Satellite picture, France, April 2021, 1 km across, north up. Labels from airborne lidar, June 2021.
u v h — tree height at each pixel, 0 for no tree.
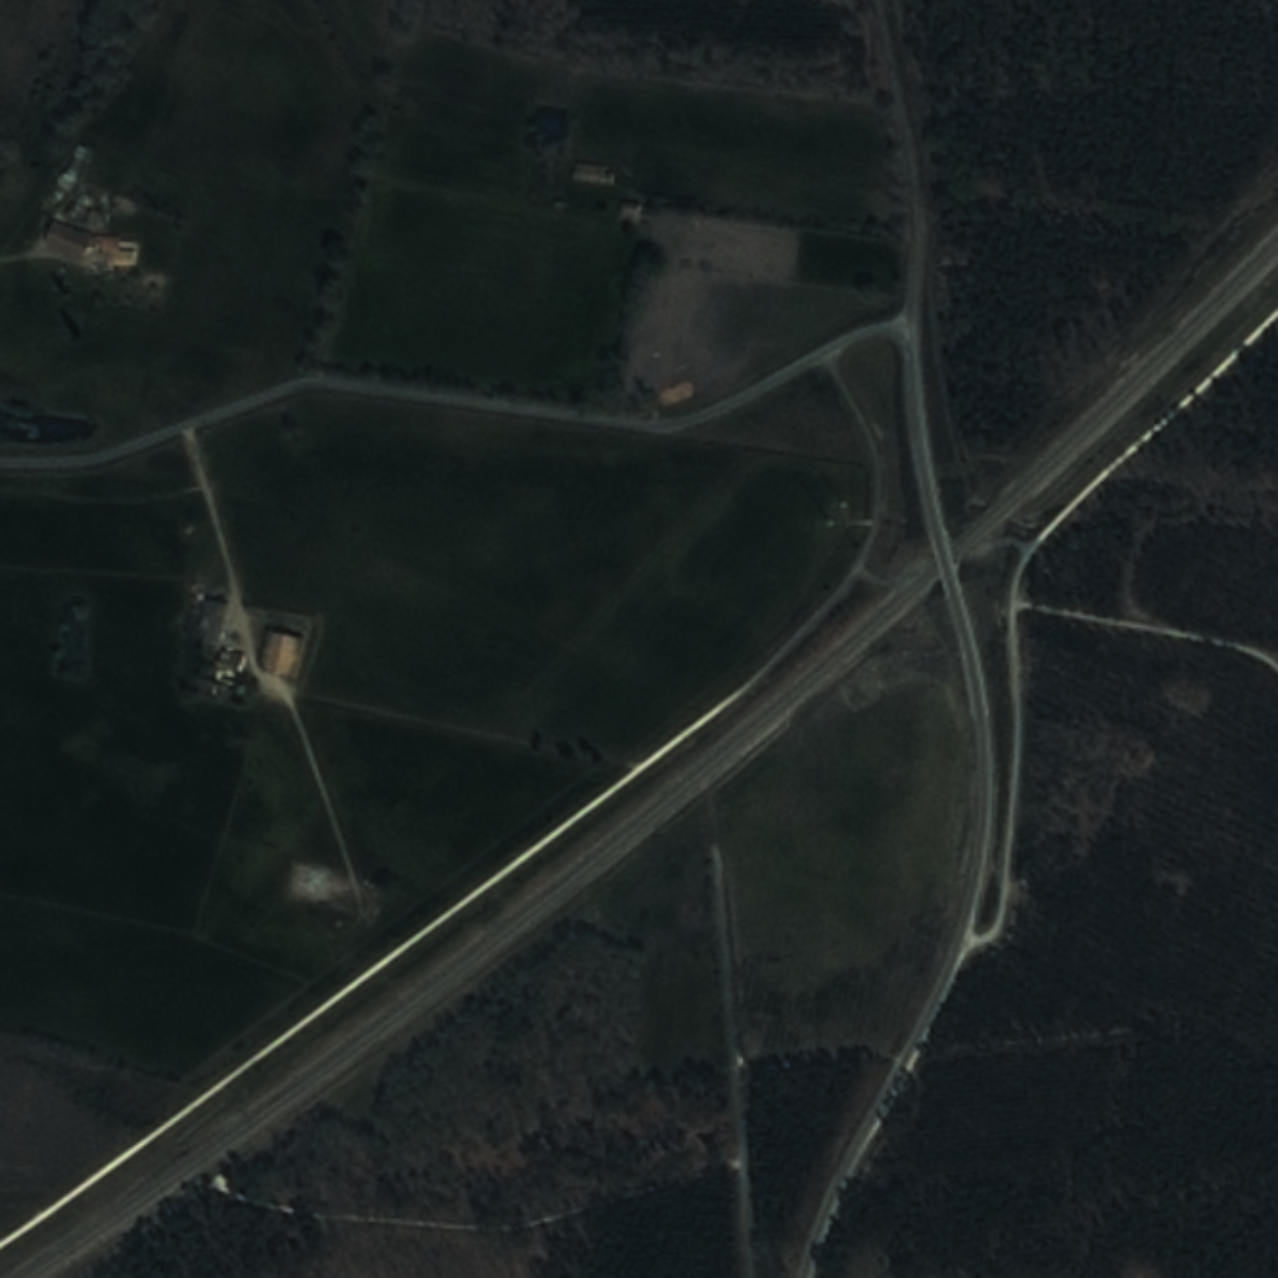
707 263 8
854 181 0
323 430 0
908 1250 19
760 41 8
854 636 0
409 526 0
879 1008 0
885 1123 14
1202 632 8
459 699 0
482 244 0
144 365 0
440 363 0
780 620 0
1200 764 7
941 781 0
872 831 0
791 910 0
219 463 0
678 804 0
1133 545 19
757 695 0
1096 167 19
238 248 0
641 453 0
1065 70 15
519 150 0
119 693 0
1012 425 17
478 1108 18
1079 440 0
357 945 0
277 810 0
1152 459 12
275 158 0
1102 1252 20
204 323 0
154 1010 0
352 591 0
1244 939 9
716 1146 12
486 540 0
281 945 0
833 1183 0
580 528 0
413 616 0
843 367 0
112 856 0
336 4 0
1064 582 19
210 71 0
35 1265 0
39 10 0
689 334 0
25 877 0
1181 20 16
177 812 0
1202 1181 21
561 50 15
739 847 0
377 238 0
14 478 0
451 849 0
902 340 0
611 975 19
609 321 0
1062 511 0
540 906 0
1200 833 8
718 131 0
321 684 0
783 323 0
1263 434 18
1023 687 0
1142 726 8
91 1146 0
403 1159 19
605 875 0
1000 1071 11
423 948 0
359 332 0
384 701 0
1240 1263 20
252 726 0
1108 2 18
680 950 0
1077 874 10
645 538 0
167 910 0
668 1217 17
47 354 0
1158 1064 18
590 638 0
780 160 0
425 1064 19
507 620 0
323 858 0
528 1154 13
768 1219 18
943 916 0
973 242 20
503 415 0
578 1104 17
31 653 0
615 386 19
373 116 13
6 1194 0
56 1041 9
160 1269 23
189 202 0
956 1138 10
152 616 0
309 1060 0
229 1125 0
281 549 0
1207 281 0
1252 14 18
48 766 0
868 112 0
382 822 0
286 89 0
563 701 0
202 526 0
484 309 0
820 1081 20
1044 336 20
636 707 0
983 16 20
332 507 0
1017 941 11
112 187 0
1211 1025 9
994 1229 18
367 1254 17
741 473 0
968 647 0
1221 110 19
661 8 10
